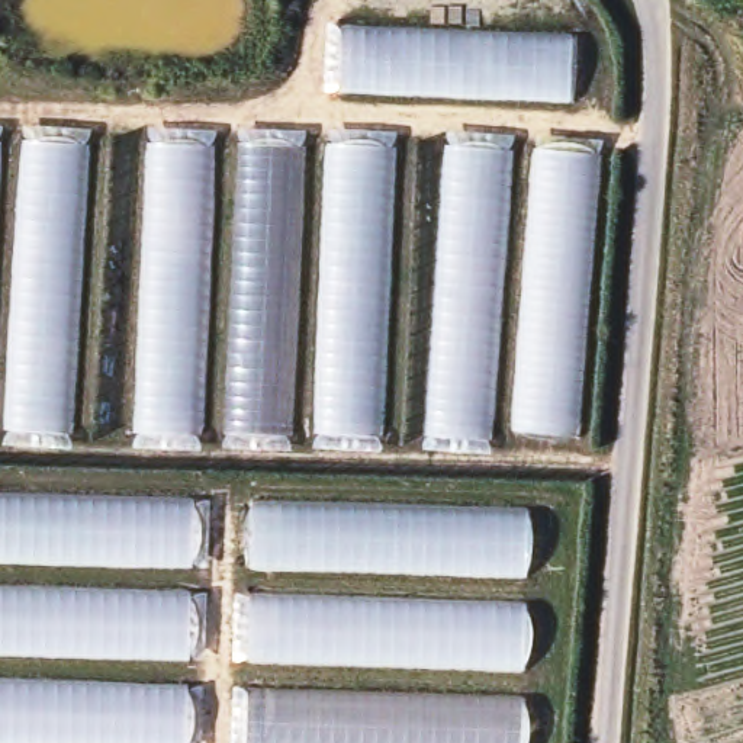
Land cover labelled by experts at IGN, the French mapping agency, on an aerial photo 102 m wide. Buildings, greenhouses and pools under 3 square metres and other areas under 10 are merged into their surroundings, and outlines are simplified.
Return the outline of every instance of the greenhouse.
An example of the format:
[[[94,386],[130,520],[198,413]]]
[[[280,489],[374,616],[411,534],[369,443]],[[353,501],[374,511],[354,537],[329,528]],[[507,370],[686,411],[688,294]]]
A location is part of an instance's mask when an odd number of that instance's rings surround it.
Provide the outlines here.
[[[75,128],[44,128],[38,139],[23,139],[15,197],[3,441],[9,450],[70,453],[73,441],[90,134]]]
[[[453,464],[459,456],[470,450],[470,444],[490,441],[514,139],[493,134],[467,134],[467,142],[447,145],[441,160],[438,194],[424,441],[427,450],[444,453],[450,464]]]
[[[528,743],[531,720],[525,699],[247,691],[247,743]]]
[[[250,128],[238,136],[223,447],[241,459],[284,459],[293,450],[290,432],[299,331],[305,136],[296,131]]]
[[[531,656],[534,641],[531,615],[525,604],[250,595],[244,601],[244,615],[250,615],[267,636],[276,636],[276,644],[287,653],[279,665],[520,673]]]
[[[386,403],[386,340],[392,287],[395,139],[406,128],[398,125],[389,134],[331,128],[322,136],[325,148],[313,363],[313,447],[322,453],[322,459],[372,461],[383,447],[380,438]]]
[[[276,502],[250,505],[244,551],[247,566],[255,572],[525,578],[534,546],[531,517],[525,511]]]
[[[194,705],[186,688],[0,679],[0,743],[189,743],[194,731]]]
[[[142,160],[134,424],[134,450],[139,456],[200,453],[215,218],[215,136],[209,131],[160,128],[148,136]]]
[[[209,522],[209,502],[189,499],[0,493],[0,563],[197,569],[215,572],[218,557],[209,557],[200,531]]]
[[[566,438],[569,430],[580,424],[595,206],[604,145],[601,139],[589,139],[551,142],[549,148],[534,148],[528,171],[525,241],[520,270],[511,430],[520,435]]]
[[[322,26],[325,93],[566,102],[572,99],[575,87],[575,41],[566,35],[461,35],[340,26]]]
[[[186,592],[0,586],[0,656],[186,662],[200,662],[209,650],[206,630],[197,627],[206,618],[206,607],[203,595]]]

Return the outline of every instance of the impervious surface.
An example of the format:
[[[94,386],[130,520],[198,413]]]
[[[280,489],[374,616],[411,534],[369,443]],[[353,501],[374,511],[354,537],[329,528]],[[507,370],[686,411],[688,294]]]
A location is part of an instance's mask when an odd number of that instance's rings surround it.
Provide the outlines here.
[[[630,0],[641,26],[641,113],[636,122],[627,122],[615,145],[624,151],[609,276],[609,331],[601,392],[601,424],[595,438],[598,453],[609,453],[609,467],[604,473],[598,470],[589,482],[592,505],[572,743],[621,743],[665,212],[665,171],[670,136],[670,0]]]

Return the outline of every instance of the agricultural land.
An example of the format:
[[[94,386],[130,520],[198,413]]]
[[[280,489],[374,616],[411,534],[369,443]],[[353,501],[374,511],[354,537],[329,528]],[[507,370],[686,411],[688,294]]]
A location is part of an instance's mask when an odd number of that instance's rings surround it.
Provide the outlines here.
[[[670,630],[670,647],[694,647],[694,665],[699,670],[714,668],[714,673],[697,679],[699,691],[670,697],[668,711],[676,743],[743,743],[743,131],[726,157],[723,186],[711,215],[714,258],[708,270],[708,299],[697,311],[699,366],[697,395],[688,401],[694,459],[688,476],[688,502],[679,502],[685,531],[670,572],[673,589],[682,601],[679,624]]]

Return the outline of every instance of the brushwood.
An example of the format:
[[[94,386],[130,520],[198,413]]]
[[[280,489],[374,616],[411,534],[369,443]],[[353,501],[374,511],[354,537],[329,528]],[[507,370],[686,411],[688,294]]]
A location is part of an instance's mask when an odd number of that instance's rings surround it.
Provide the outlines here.
[[[84,81],[110,81],[110,84],[113,84],[113,96],[116,96],[116,102],[122,102],[122,99],[128,96],[128,90],[134,90],[134,87],[145,87],[145,90],[148,90],[151,96],[160,96],[163,102],[189,104],[183,93],[206,78],[232,78],[238,84],[238,78],[250,75],[258,78],[270,93],[293,75],[299,64],[302,38],[311,20],[313,0],[244,0],[241,32],[226,49],[212,55],[104,49],[93,58],[75,52],[52,58],[41,44],[41,35],[26,23],[23,0],[0,0],[0,52],[3,52],[3,55],[9,58],[9,64],[12,64],[12,67],[15,67],[17,73],[20,73],[20,70],[26,67],[26,61],[32,61],[38,73],[58,73],[58,75],[67,75],[67,78],[84,78]]]

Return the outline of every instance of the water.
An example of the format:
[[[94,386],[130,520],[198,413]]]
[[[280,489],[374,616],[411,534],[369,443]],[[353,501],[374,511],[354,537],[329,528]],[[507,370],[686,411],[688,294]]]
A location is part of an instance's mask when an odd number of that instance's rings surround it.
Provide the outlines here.
[[[26,23],[41,35],[41,44],[52,58],[75,52],[93,58],[104,49],[212,55],[226,49],[241,32],[244,0],[23,0]]]

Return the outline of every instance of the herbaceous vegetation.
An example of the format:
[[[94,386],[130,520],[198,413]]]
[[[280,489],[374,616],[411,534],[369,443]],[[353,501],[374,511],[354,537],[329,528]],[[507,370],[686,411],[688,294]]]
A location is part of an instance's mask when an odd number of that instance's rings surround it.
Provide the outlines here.
[[[116,134],[102,122],[90,134],[73,441],[116,444],[116,435],[134,424],[142,160],[148,136],[142,128]]]
[[[84,78],[67,78],[67,75],[58,75],[58,73],[38,73],[32,61],[26,61],[26,67],[20,70],[20,73],[17,73],[15,67],[12,67],[12,64],[9,64],[9,58],[3,55],[3,52],[0,52],[0,102],[93,102],[93,104],[160,104],[160,102],[163,102],[160,96],[151,96],[148,90],[145,90],[145,87],[134,87],[134,90],[128,90],[128,96],[122,99],[122,102],[116,102],[116,96],[113,96],[113,84],[110,84],[110,81],[84,81]]]
[[[377,9],[354,9],[340,17],[340,26],[461,35],[566,35],[575,41],[575,87],[572,99],[566,102],[572,113],[604,110],[607,116],[627,122],[636,122],[641,113],[641,26],[630,0],[514,0],[502,6],[493,20],[488,20],[482,9],[470,9],[467,3],[430,3],[424,12],[412,12],[403,17]]]
[[[235,592],[250,595],[525,604],[531,615],[534,641],[531,656],[520,673],[279,665],[241,662],[232,670],[232,679],[238,688],[247,691],[525,699],[531,720],[528,743],[572,743],[592,505],[589,482],[598,470],[453,464],[450,464],[372,461],[322,459],[322,453],[313,447],[313,363],[325,148],[322,136],[322,128],[313,125],[305,136],[299,331],[290,432],[293,450],[284,459],[241,459],[223,447],[238,136],[229,131],[229,125],[223,125],[215,136],[215,218],[200,453],[139,456],[70,453],[9,450],[3,441],[15,197],[23,139],[15,119],[0,119],[0,493],[189,499],[194,493],[215,493],[218,485],[229,485],[232,493],[238,499],[247,499],[250,505],[276,502],[525,511],[531,517],[534,546],[525,578],[255,572],[247,566],[244,551],[235,554],[232,583]]]
[[[688,401],[697,395],[699,366],[697,311],[708,299],[708,270],[714,258],[711,215],[723,186],[726,157],[743,131],[743,0],[670,0],[670,136],[665,171],[665,212],[621,743],[676,743],[668,711],[670,697],[699,691],[697,679],[714,673],[714,668],[699,670],[694,665],[694,647],[670,647],[670,630],[679,624],[682,601],[673,589],[670,572],[685,531],[679,502],[688,502],[688,476],[694,459]]]
[[[200,679],[200,673],[186,662],[0,656],[0,679],[186,688],[192,676]]]
[[[270,93],[258,78],[250,75],[238,78],[238,84],[232,78],[206,78],[183,93],[189,104],[238,104]]]
[[[615,145],[604,145],[595,206],[580,424],[569,430],[566,438],[520,435],[511,430],[520,270],[525,241],[528,171],[534,148],[525,131],[514,139],[490,441],[493,450],[583,456],[598,453],[595,438],[601,424],[601,392],[609,331],[609,276],[624,151]]]
[[[215,607],[221,601],[221,592],[197,569],[0,563],[0,586],[186,592],[203,595],[206,607]]]
[[[386,403],[380,438],[383,447],[415,450],[424,441],[438,194],[441,160],[447,145],[441,134],[412,136],[406,128],[395,139],[392,287],[386,340]]]

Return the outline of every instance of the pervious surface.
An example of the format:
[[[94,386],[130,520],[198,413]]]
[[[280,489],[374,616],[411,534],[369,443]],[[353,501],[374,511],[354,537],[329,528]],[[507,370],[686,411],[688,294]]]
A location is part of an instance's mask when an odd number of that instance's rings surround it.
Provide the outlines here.
[[[444,453],[427,450],[424,441],[415,450],[383,447],[372,461],[450,464]]]
[[[340,17],[354,9],[377,9],[403,17],[412,12],[424,12],[430,3],[467,3],[470,9],[482,9],[488,20],[493,20],[502,6],[514,0],[313,0],[311,20],[302,38],[299,64],[293,75],[270,93],[238,104],[189,104],[163,102],[160,102],[160,104],[93,104],[93,102],[0,102],[0,119],[15,119],[23,139],[38,139],[44,128],[75,128],[90,134],[102,122],[116,134],[142,128],[148,136],[160,128],[209,131],[215,136],[223,125],[229,125],[229,131],[238,136],[250,128],[296,131],[305,136],[313,125],[322,128],[322,136],[331,128],[389,134],[398,125],[406,128],[412,136],[441,134],[447,145],[467,142],[467,134],[493,134],[514,139],[525,131],[534,148],[549,148],[551,142],[589,139],[601,139],[604,145],[615,145],[627,122],[607,116],[604,110],[572,113],[566,102],[325,93],[322,26],[340,26]]]
[[[287,653],[276,644],[276,636],[267,636],[250,615],[244,615],[244,601],[250,595],[235,592],[232,583],[235,554],[244,551],[250,505],[247,499],[238,499],[232,493],[229,485],[218,485],[215,493],[194,493],[189,499],[209,502],[209,522],[200,531],[209,557],[218,557],[215,572],[197,569],[221,592],[221,601],[215,607],[206,607],[206,618],[197,627],[206,630],[209,650],[200,662],[186,662],[200,673],[200,679],[192,676],[186,688],[194,705],[194,731],[189,743],[247,743],[247,691],[238,688],[232,679],[232,670],[241,662],[279,665]]]
[[[116,435],[116,444],[73,441],[70,453],[139,456],[134,450],[134,424]]]
[[[598,470],[604,473],[609,467],[609,453],[598,453],[583,456],[493,450],[490,441],[470,444],[470,450],[459,456],[453,464]]]

